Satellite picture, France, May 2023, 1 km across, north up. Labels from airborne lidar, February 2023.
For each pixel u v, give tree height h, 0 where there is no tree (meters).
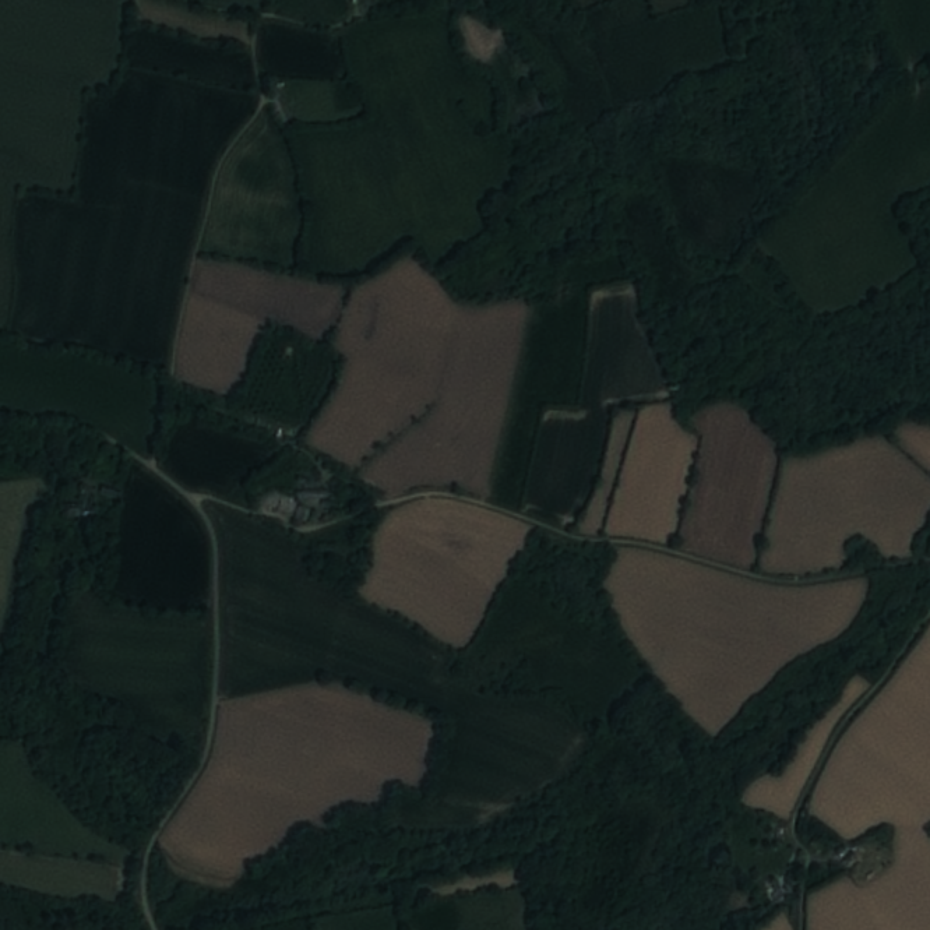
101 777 11
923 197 9
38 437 13
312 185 0
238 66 0
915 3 0
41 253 0
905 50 0
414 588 0
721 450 0
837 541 0
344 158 0
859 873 0
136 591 0
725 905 5
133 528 0
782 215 16
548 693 7
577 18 10
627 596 0
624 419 0
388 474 0
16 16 0
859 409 16
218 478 0
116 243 0
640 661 7
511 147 12
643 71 0
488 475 0
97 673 0
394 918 13
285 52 0
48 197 11
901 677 0
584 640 0
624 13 0
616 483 7
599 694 0
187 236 0
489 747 0
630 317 0
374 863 20
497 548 0
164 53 0
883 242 0
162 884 12
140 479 0
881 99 18
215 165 0
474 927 0
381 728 0
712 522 0
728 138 7
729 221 0
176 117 0
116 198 0
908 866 0
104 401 0
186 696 0
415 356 0
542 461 0
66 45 0
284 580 0
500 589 10
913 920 0
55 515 10
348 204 0
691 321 7
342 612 0
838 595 0
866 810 0
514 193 18
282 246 0
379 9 9
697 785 11
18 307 0
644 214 0
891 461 0
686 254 9
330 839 15
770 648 0
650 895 8
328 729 0
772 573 0
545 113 7
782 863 0
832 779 0
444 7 8
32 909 6
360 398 0
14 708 18
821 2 15
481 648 0
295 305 0
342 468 9
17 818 0
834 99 16
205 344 0
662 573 0
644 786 15
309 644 0
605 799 13
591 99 0
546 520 0
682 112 6
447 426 0
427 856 12
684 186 0
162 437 14
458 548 0
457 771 0
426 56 0
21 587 10
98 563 16
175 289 0
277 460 7
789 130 10
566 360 0
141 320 0
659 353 10
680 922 8
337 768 0
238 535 0
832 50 8
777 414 7
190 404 10
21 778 0
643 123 12
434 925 0
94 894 0
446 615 0
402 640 0
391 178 0
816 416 9
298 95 0
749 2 10
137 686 0
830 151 18
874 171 0
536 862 13
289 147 9
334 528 0
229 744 0
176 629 0
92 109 0
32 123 0
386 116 0
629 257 17
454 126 0
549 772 0
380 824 23
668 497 0
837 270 0
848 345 8
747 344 14
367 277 13
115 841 8
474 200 0
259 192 0
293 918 9
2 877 0
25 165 0
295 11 0
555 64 0
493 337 0
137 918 12
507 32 10
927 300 14
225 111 0
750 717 6
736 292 14
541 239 8
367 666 0
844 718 0
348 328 0
